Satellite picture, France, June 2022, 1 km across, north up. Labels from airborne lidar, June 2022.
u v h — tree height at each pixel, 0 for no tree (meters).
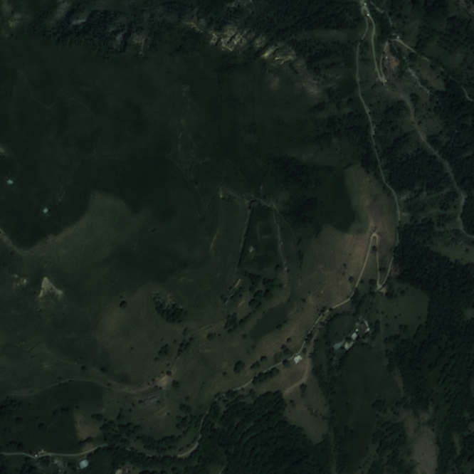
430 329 17
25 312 0
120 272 0
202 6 8
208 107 0
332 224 0
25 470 22
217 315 0
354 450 0
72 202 0
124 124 0
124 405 0
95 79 0
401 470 7
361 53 8
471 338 17
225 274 0
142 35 0
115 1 0
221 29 10
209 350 0
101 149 0
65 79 0
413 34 0
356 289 9
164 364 0
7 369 0
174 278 0
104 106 0
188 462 19
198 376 0
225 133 0
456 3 6
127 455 18
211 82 0
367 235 0
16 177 0
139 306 0
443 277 24
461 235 8
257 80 0
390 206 0
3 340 0
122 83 0
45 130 0
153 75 0
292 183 6
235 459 15
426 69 0
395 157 13
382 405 18
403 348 11
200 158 0
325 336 12
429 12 23
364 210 0
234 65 7
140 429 13
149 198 0
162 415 0
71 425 0
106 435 17
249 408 12
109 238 0
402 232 9
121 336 0
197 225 0
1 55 0
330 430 6
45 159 0
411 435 0
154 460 21
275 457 15
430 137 10
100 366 0
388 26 7
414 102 10
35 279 0
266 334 0
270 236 12
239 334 0
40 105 0
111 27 6
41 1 0
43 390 0
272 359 0
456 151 15
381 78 0
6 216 0
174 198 0
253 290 15
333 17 15
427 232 19
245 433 16
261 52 9
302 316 0
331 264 0
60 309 0
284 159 6
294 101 0
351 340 13
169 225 0
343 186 0
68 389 0
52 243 0
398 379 0
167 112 0
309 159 0
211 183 0
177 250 0
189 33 7
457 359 17
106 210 0
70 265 0
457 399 19
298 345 0
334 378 10
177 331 0
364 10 0
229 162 0
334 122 13
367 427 0
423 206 8
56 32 7
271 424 6
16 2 0
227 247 0
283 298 0
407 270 16
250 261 12
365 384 0
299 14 7
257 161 0
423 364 17
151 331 0
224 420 21
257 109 0
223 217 0
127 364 0
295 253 0
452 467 17
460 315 13
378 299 0
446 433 8
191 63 0
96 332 0
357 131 14
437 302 21
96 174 0
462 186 14
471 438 20
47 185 0
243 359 0
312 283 0
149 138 0
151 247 0
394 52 8
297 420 0
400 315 7
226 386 0
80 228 0
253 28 10
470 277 21
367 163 15
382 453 11
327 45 9
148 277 0
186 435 13
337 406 0
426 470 0
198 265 0
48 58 0
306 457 25
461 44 12
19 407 15
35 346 0
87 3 7
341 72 0
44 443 0
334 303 0
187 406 7
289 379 0
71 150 0
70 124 0
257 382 18
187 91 0
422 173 17
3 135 0
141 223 0
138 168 0
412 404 11
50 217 0
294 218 6
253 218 0
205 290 0
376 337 10
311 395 0
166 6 6
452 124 12
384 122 10
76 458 0
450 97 19
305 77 0
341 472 11
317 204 14
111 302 0
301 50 13
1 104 0
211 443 8
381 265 0
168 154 0
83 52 0
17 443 15
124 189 0
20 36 0
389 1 10
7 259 0
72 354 0
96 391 0
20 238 0
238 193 0
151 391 0
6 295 0
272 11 8
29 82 0
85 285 0
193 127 0
